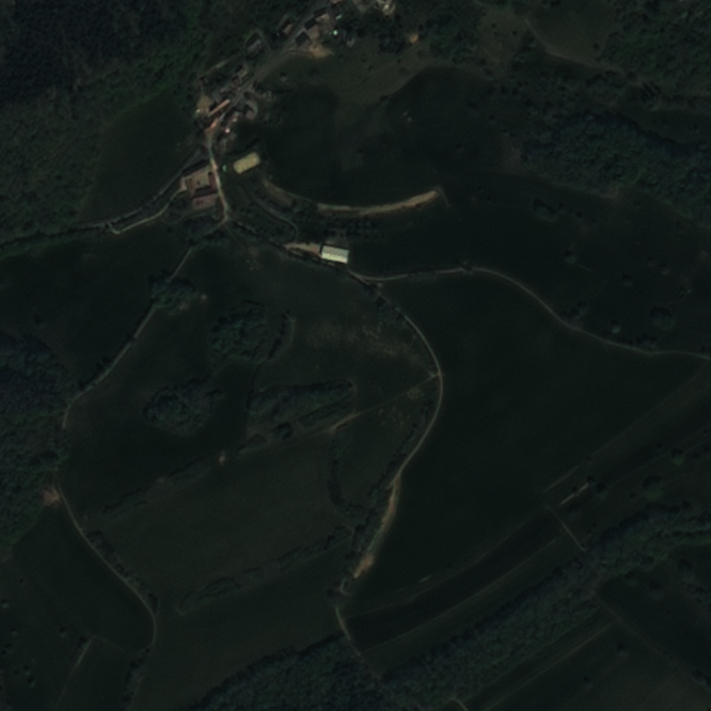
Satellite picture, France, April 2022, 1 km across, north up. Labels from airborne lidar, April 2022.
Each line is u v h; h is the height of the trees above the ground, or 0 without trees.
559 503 0
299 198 0
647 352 12
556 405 0
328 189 0
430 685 26
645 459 0
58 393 19
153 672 0
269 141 0
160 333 0
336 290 0
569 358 0
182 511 0
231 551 0
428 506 0
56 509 0
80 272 0
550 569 0
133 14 19
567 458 0
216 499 0
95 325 0
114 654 0
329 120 0
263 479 0
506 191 0
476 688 16
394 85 0
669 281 0
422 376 0
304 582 0
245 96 7
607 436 0
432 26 15
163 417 14
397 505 0
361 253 0
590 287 0
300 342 0
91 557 0
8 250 18
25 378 26
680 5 6
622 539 25
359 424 0
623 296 0
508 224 0
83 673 0
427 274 10
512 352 0
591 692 0
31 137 21
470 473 0
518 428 0
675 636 0
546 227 0
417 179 0
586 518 0
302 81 0
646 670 0
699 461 12
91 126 28
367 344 0
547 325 0
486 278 0
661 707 0
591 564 22
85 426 0
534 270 0
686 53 18
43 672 0
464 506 0
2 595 0
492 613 0
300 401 19
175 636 0
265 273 0
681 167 28
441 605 0
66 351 0
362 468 0
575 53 0
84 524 0
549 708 0
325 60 0
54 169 18
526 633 23
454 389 0
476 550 0
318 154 0
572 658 0
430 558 0
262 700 27
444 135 0
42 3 24
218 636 0
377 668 0
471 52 12
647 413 0
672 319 16
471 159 0
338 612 0
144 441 0
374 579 0
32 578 0
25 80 29
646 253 0
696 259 0
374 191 0
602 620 0
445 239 0
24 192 16
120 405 0
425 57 13
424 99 0
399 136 0
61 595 0
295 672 23
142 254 0
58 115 26
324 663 24
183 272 0
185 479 6
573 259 10
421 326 0
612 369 0
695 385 0
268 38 6
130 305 0
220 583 6
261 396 12
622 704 0
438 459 0
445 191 0
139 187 0
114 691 0
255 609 0
